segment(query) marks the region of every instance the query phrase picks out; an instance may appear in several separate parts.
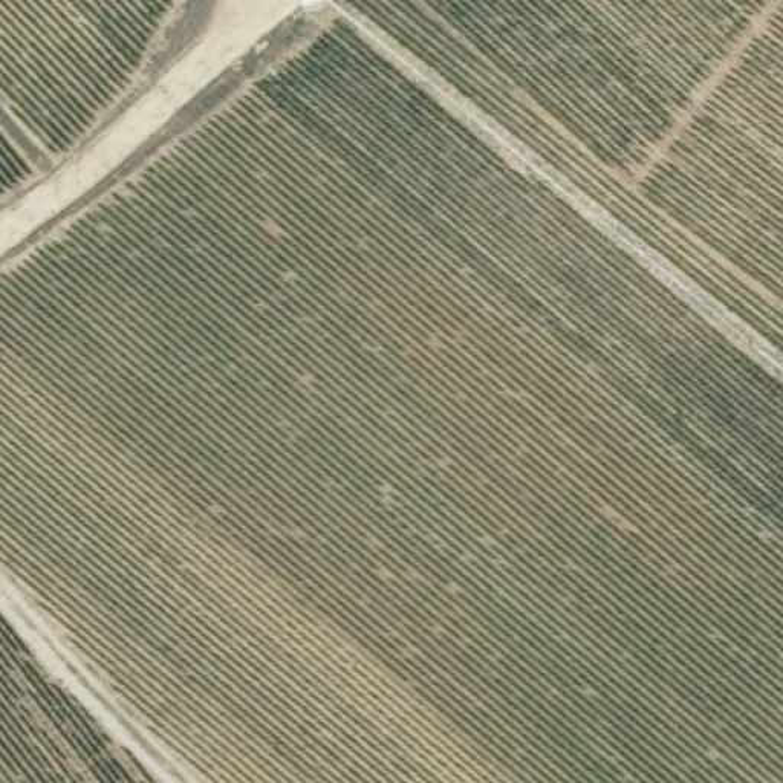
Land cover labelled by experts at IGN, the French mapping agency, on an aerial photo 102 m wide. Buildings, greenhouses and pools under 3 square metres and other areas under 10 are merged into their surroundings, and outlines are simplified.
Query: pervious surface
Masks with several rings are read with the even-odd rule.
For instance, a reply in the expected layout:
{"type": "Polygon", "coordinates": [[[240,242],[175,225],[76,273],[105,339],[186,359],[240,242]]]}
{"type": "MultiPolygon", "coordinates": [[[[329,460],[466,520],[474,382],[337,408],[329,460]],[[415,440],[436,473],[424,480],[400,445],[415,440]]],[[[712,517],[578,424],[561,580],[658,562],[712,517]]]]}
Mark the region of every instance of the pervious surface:
{"type": "Polygon", "coordinates": [[[80,162],[70,162],[64,171],[52,174],[46,187],[28,193],[12,211],[0,214],[0,254],[18,239],[24,239],[49,214],[83,196],[110,168],[116,168],[138,144],[144,144],[156,128],[162,128],[174,116],[174,110],[180,110],[193,95],[199,95],[229,64],[242,61],[242,55],[251,52],[251,46],[263,34],[269,34],[291,15],[303,15],[303,9],[321,6],[324,0],[217,0],[214,15],[199,43],[159,76],[156,89],[147,98],[141,98],[104,138],[98,138],[80,162]]]}
{"type": "Polygon", "coordinates": [[[150,722],[110,688],[107,676],[89,670],[86,658],[67,642],[67,630],[34,606],[37,593],[0,566],[0,615],[34,648],[37,664],[46,670],[46,676],[58,682],[67,694],[73,694],[119,746],[132,749],[156,783],[193,783],[199,771],[187,765],[177,752],[171,752],[150,731],[150,722]]]}

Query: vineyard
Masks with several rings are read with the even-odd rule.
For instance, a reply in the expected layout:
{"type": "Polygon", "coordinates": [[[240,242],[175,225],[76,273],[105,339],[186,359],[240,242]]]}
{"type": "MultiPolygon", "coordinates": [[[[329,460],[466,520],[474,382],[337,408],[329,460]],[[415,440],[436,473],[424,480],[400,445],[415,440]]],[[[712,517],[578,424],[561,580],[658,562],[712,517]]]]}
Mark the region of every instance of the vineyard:
{"type": "Polygon", "coordinates": [[[291,15],[269,34],[263,34],[251,46],[251,52],[242,55],[242,61],[229,64],[199,95],[193,95],[180,110],[174,110],[174,116],[162,128],[156,128],[144,144],[138,144],[116,168],[110,168],[83,196],[49,214],[24,239],[18,239],[0,254],[0,566],[37,593],[34,606],[67,630],[67,642],[86,658],[89,670],[107,676],[110,688],[150,722],[150,731],[171,752],[177,752],[187,765],[199,771],[193,783],[783,783],[783,0],[324,0],[321,6],[303,9],[303,15],[291,15]]]}
{"type": "Polygon", "coordinates": [[[46,676],[46,670],[37,664],[34,648],[0,615],[0,783],[156,783],[132,749],[119,746],[73,694],[67,694],[58,682],[46,676]]]}
{"type": "Polygon", "coordinates": [[[28,193],[46,187],[52,174],[64,171],[70,162],[80,162],[98,138],[104,138],[141,98],[147,98],[156,89],[159,76],[199,43],[214,15],[217,0],[0,0],[0,214],[12,211],[28,193]]]}

